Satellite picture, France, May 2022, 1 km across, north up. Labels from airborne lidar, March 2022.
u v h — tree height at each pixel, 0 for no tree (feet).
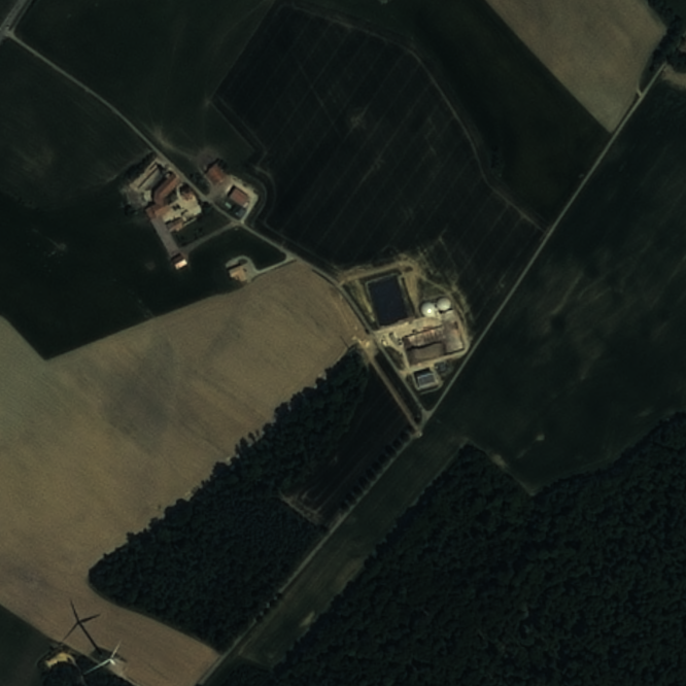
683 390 0
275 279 0
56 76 0
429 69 0
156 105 0
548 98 0
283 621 0
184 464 0
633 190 0
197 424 0
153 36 0
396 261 0
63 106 0
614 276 0
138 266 0
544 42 0
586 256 0
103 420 0
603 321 0
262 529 67
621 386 0
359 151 0
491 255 0
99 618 0
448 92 0
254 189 0
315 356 0
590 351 0
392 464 0
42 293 0
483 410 0
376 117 0
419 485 0
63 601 0
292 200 0
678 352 0
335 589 0
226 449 0
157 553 72
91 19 0
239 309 0
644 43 0
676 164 0
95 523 0
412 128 0
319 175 0
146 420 0
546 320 0
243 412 0
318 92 0
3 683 0
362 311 0
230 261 0
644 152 0
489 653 104
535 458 0
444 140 0
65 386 0
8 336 0
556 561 108
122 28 0
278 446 85
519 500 73
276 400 0
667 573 96
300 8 0
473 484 74
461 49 0
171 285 0
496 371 0
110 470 0
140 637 0
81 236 0
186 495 0
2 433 0
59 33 0
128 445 0
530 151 0
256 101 0
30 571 0
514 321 0
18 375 0
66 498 0
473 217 0
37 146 0
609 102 0
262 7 0
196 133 0
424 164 0
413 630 82
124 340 0
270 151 0
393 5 0
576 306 0
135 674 0
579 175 0
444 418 0
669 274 0
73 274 0
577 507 82
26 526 0
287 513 54
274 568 76
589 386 0
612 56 0
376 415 0
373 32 0
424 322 0
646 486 92
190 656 0
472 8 0
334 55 0
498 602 84
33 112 0
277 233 0
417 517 86
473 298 0
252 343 0
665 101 0
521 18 0
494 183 0
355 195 0
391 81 0
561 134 0
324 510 0
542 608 107
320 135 0
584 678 102
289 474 76
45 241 0
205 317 0
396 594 70
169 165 0
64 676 47
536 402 0
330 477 0
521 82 0
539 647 96
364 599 54
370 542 0
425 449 0
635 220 0
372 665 67
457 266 0
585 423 0
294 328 0
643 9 0
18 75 0
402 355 0
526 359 0
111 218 0
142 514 0
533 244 0
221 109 0
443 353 0
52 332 0
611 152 0
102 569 42
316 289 0
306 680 29
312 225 0
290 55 0
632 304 0
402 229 0
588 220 0
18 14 0
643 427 0
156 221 0
